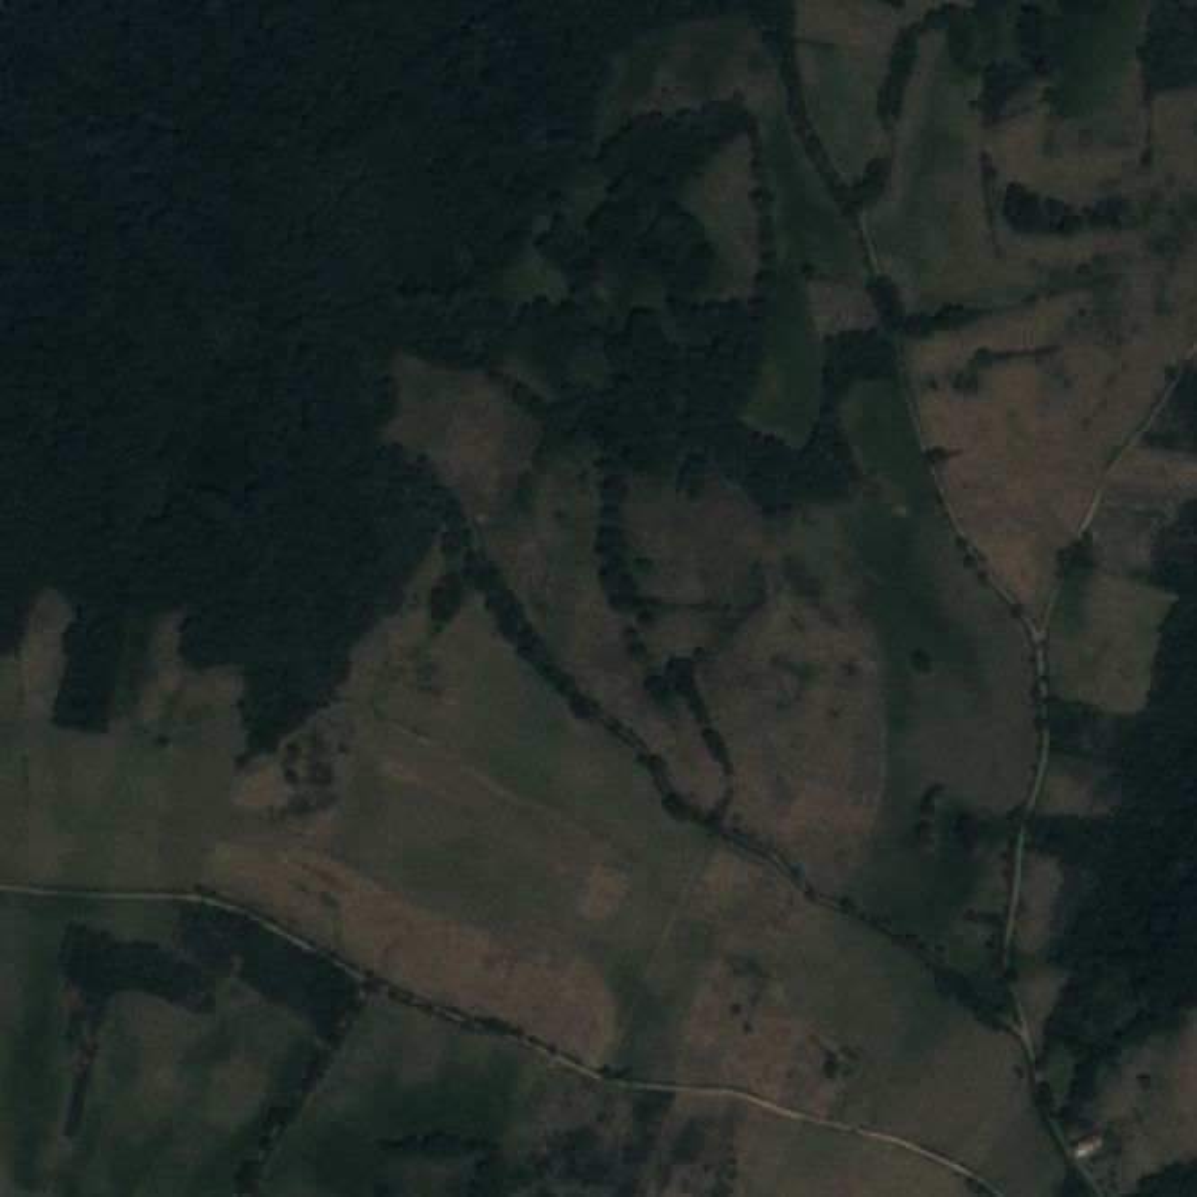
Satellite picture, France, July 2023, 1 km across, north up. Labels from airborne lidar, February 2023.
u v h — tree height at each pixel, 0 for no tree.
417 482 10
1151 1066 0
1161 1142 0
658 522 0
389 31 20
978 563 10
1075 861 8
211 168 18
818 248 0
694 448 7
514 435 0
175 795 0
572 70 18
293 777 10
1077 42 0
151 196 26
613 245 21
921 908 0
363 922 0
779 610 0
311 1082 11
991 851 0
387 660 0
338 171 16
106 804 0
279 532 15
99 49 19
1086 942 18
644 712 0
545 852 0
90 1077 0
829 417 13
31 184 20
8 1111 0
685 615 0
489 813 0
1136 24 0
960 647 0
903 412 0
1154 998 17
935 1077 0
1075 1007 10
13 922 0
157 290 17
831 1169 0
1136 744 6
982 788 0
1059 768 0
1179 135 0
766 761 0
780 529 0
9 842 0
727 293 0
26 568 11
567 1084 0
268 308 11
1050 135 0
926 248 0
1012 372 0
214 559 22
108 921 0
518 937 0
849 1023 0
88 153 20
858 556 0
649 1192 0
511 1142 0
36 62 19
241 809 0
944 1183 0
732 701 0
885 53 0
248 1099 0
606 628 0
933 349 0
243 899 0
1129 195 0
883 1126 0
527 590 0
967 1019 0
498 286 0
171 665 0
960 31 7
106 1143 0
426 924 0
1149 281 0
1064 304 0
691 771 0
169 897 0
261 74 16
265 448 17
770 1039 0
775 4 14
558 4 19
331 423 21
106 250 19
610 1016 0
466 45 21
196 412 26
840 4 0
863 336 10
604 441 16
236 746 0
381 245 13
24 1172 0
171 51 20
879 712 0
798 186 0
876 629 0
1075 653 0
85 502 15
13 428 19
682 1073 0
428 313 10
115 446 19
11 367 19
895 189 0
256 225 20
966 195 0
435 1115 0
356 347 17
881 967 0
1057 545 0
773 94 0
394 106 18
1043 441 0
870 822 0
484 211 19
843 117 0
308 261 11
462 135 15
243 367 10
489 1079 0
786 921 0
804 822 0
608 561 23
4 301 22
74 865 0
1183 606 12
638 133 17
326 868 0
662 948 0
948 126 0
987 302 0
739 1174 0
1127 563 0
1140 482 0
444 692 0
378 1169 0
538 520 0
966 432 0
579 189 0
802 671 0
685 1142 0
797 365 0
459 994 0
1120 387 0
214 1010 0
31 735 0
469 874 0
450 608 7
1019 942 0
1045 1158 0
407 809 0
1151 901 22
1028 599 0
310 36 16
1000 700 0
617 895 0
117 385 12
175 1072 0
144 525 13
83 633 15
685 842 0
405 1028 0
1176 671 10
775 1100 0
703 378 15
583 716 14
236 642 10
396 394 11
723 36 0
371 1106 0
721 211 0
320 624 13
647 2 19
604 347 22
